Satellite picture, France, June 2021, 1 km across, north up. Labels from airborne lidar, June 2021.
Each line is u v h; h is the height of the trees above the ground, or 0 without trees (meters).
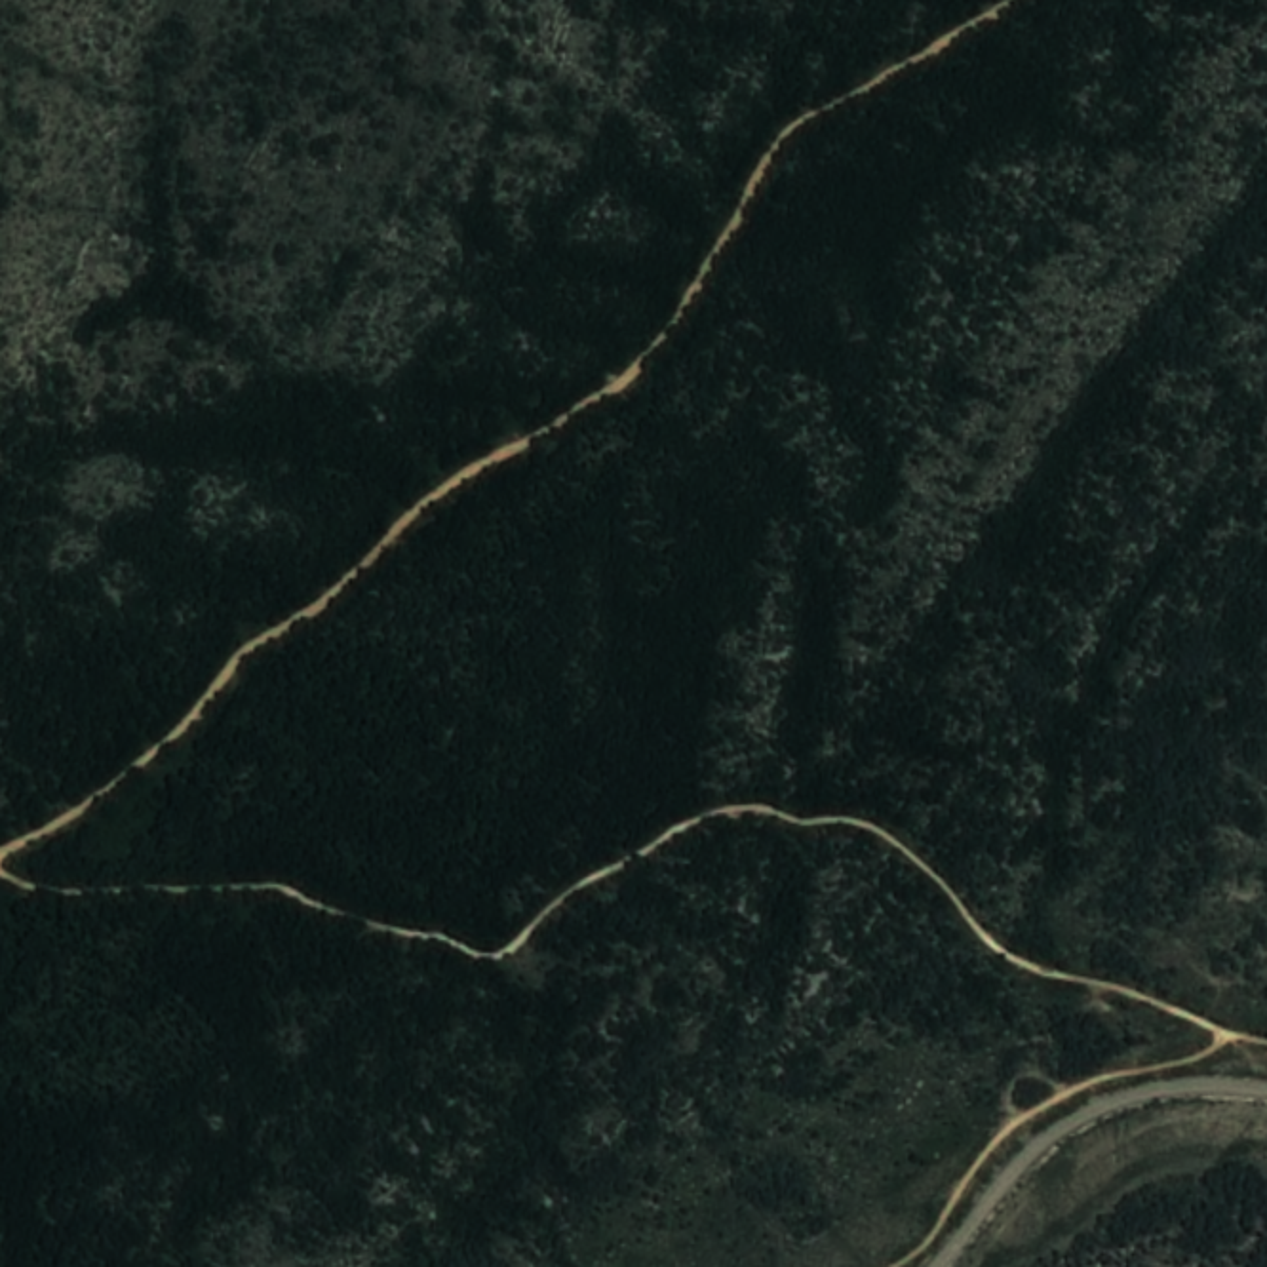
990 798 8
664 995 8
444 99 7
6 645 9
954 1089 0
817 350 9
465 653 7
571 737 8
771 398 8
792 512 8
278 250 9
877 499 8
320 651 11
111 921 8
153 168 8
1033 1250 0
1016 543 7
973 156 8
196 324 9
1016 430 0
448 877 8
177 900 7
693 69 7
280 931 8
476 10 7
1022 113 9
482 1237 9
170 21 8
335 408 9
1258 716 9
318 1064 8
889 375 5
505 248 6
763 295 7
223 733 12
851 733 6
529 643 8
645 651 7
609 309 8
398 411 8
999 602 9
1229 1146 0
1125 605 9
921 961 7
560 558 11
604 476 10
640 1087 6
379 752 8
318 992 6
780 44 10
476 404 9
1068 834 9
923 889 7
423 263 7
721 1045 8
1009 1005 7
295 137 7
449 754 9
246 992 13
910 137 9
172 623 6
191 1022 12
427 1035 6
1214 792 9
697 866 9
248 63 7
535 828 9
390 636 7
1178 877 6
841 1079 9
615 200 7
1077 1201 0
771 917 8
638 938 7
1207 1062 0
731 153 9
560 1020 8
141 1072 13
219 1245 5
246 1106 8
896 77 8
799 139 7
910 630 5
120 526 8
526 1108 6
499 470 9
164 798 9
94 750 9
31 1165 13
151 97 7
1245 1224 10
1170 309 11
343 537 7
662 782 9
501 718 7
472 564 11
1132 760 8
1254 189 9
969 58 11
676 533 9
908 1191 0
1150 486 8
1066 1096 0
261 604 6
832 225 8
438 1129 7
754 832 9
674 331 9
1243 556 7
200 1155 9
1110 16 9
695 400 9
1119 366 10
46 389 5
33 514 8
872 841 7
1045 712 7
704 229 8
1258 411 7
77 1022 9
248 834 9
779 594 6
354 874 7
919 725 8
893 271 8
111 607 7
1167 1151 0
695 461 6
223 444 12
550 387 8
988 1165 0
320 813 9
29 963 9
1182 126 6
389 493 9
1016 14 6
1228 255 11
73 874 12
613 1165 7
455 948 9
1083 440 7
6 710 8
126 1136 6
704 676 12
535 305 9
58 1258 9
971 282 8
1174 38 6
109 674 12
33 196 6
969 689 6
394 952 6
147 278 9
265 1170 8
